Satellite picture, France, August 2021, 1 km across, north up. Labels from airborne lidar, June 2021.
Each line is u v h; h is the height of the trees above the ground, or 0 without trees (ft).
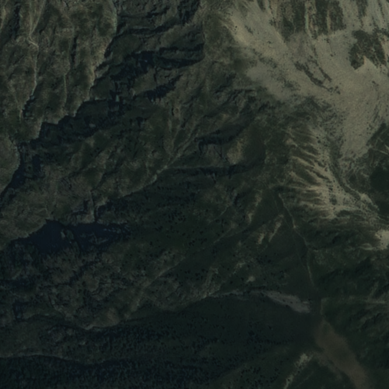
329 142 0
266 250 0
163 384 28
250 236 0
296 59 0
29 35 0
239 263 0
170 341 0
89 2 0
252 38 0
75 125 0
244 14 0
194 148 0
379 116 0
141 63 0
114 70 0
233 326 0
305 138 0
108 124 0
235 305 0
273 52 0
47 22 0
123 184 0
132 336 51
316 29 0
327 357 0
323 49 0
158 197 0
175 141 0
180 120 0
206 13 0
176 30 0
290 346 0
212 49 0
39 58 0
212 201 0
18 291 34
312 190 0
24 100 0
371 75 0
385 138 0
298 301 0
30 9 0
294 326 0
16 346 21
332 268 0
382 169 0
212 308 0
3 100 0
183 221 27
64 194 0
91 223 22
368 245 0
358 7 0
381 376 0
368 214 0
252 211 0
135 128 0
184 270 0
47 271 31
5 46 0
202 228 0
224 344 31
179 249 0
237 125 0
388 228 0
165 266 0
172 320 0
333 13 0
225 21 0
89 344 24
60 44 0
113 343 80
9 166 0
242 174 0
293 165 0
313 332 0
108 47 0
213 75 0
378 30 0
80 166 0
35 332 0
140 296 0
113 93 0
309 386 0
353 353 0
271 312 0
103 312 0
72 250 18
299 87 0
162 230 31
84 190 0
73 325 20
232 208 0
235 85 0
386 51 0
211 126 0
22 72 0
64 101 0
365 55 0
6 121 0
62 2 0
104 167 0
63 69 0
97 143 0
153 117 0
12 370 23
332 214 0
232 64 0
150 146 0
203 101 0
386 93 0
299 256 0
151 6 0
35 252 45
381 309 0
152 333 26
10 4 0
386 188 0
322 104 0
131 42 0
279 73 0
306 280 0
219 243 0
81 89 0
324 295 0
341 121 0
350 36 0
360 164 0
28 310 0
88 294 40
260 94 0
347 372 0
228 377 0
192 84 0
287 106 0
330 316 0
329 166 0
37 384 48
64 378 42
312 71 0
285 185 0
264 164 0
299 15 0
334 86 0
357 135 0
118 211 24
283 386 0
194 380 23
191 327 22
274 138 0
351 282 0
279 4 0
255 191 0
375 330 0
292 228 0
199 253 0
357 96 0
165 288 0
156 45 0
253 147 0
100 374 40
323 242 0
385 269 0
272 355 0
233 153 0
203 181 0
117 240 22
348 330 0
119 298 0
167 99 0
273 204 0
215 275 19
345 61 0
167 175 0
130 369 65
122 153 0
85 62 0
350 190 0
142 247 0
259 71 0
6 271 29
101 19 0
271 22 0
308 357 0
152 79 0
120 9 0
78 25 0
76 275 29
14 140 0
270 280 0
